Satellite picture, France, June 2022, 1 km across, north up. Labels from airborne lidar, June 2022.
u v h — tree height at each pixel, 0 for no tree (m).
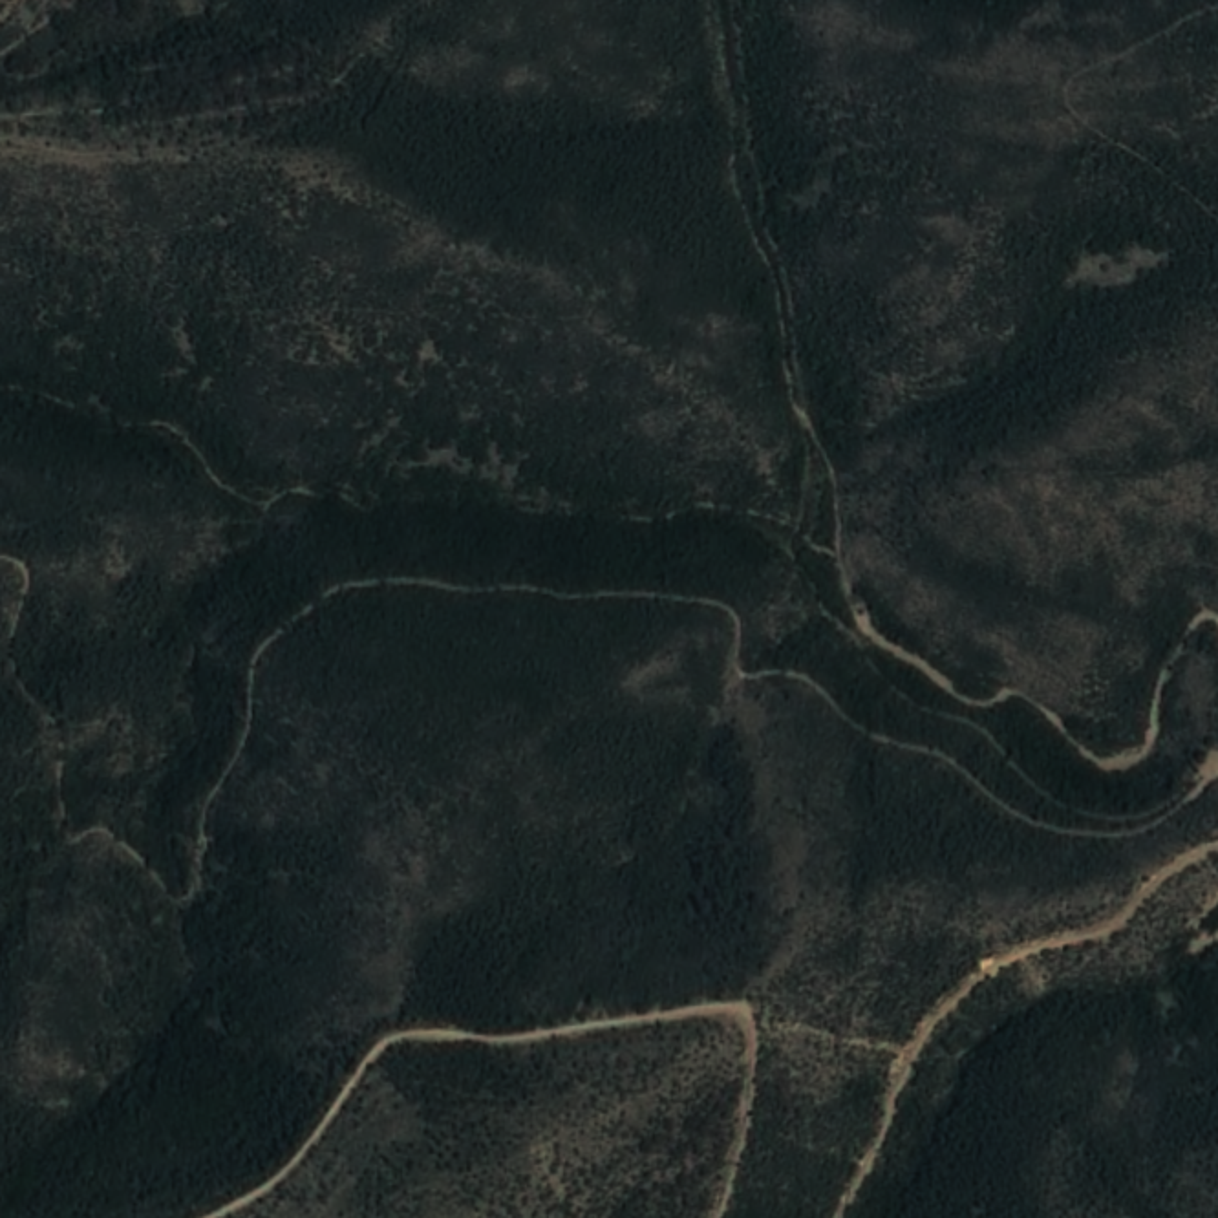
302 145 11
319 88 7
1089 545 0
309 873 6
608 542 7
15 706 6
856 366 8
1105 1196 9
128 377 10
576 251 7
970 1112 8
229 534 9
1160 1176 9
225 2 12
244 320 7
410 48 10
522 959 8
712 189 12
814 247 5
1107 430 0
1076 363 12
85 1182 13
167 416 8
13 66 19
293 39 10
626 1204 9
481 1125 9
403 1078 10
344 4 9
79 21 20
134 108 7
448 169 11
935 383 11
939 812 10
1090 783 9
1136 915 6
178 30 9
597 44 0
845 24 0
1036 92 0
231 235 12
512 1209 7
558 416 7
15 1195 10
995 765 8
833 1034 11
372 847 0
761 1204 6
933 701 7
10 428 14
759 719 0
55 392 7
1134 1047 6
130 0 21
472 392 7
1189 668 0
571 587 6
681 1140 6
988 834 13
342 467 9
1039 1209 7
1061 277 9
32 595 6
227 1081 13
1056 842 10
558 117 9
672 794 9
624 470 8
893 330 11
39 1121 14
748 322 6
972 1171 15
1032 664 0
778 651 6
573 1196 7
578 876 7
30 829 6
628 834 12
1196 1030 7
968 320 6
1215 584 9
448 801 5
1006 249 8
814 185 7
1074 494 0
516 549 6
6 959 11
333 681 6
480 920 11
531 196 12
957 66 0
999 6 8
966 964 10
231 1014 11
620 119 10
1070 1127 10
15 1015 9
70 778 7
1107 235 9
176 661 16
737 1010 0
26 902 10
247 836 7
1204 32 6
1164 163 11
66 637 13
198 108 12
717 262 7
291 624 7
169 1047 12
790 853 0
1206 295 9
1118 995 10
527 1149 0
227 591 12
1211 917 8
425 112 11
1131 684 12
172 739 10
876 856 11
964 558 8
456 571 7
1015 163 0
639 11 10
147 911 6
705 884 13
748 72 6
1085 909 6
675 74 6
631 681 0
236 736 7
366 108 9
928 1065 9
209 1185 11
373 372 7
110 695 8
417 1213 6
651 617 9
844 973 7
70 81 8
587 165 14
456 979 14
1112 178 8
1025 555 0
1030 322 7
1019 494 0
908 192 5
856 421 9
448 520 8
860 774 8
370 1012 0
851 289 6
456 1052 12
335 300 6
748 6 9
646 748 13
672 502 9
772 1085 11
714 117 11
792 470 9
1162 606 10
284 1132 9
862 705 8
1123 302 9
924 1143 7
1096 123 0
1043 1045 10
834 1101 5
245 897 8
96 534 6
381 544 8
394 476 8
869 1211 10
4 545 8
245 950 7
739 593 8
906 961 12
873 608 11
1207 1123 11
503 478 5
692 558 6
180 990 7
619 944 8
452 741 5
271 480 8
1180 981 9
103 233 6
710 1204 12
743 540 9
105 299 6
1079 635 0
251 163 6
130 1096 14
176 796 9
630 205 13
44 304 7
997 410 12
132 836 13
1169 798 6
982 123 0
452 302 7
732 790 13
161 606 16
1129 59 0
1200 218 10
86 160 0
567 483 9
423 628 7
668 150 15
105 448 5
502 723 6
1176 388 0
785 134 6
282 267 9
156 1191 12
